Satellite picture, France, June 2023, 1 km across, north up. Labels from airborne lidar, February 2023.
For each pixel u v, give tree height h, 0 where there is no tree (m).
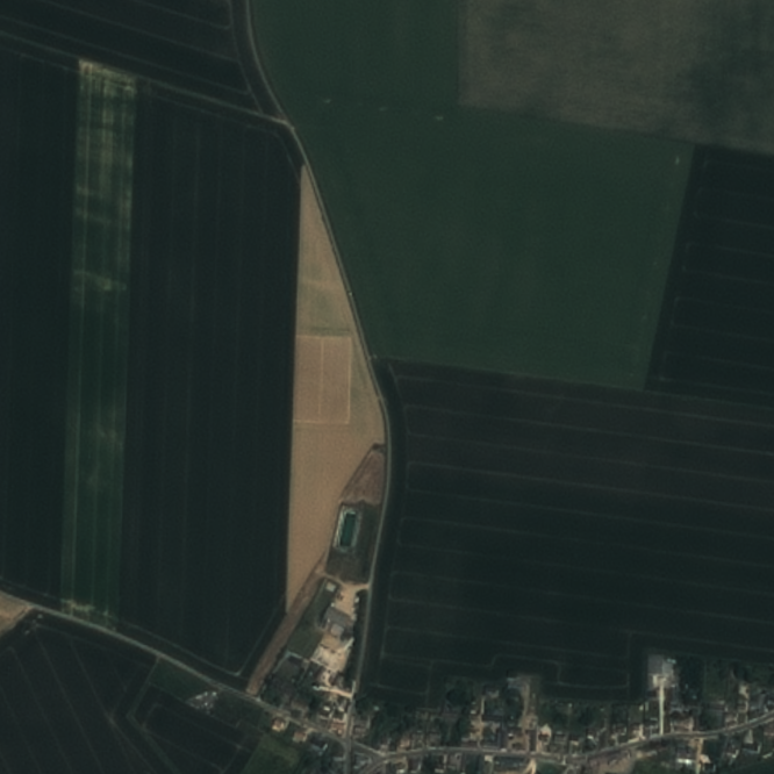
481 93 0
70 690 0
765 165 0
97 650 0
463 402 0
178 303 0
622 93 0
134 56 0
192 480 0
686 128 0
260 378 0
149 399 0
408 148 0
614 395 0
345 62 0
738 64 0
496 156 0
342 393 0
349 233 0
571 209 0
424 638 0
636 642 0
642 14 0
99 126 0
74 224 0
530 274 0
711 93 0
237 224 0
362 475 0
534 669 0
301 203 0
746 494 0
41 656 0
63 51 0
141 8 0
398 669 0
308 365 0
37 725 0
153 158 0
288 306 0
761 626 0
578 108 0
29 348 0
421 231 0
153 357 0
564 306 0
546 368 0
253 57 0
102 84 0
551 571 0
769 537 0
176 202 0
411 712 10
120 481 0
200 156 0
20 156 0
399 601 0
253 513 0
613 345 0
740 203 0
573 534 0
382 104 0
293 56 0
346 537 0
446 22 0
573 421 0
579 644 0
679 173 0
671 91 0
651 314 0
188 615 0
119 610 0
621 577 0
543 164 0
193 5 0
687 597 0
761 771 0
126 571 0
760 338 0
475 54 0
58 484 0
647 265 0
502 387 0
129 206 0
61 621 0
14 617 0
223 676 0
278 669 0
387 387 0
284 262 0
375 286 0
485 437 0
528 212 0
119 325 0
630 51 0
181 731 0
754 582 0
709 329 0
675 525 0
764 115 0
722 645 0
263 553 0
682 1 0
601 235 0
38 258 0
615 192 0
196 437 0
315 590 0
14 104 0
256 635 0
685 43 0
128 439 0
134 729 0
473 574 0
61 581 0
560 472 0
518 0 0
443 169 0
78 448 0
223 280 0
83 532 0
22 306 0
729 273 0
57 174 0
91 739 0
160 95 0
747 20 0
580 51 0
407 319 0
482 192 0
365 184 0
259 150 0
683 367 0
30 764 0
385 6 0
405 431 0
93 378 0
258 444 0
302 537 0
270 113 0
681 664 8
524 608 0
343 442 0
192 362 0
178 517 0
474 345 0
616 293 0
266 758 0
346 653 0
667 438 0
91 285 0
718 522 0
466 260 0
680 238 0
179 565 0
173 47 0
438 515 0
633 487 0
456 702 17
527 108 0
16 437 0
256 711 0
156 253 0
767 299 0
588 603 0
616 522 0
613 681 0
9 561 0
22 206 0
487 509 0
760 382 0
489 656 0
